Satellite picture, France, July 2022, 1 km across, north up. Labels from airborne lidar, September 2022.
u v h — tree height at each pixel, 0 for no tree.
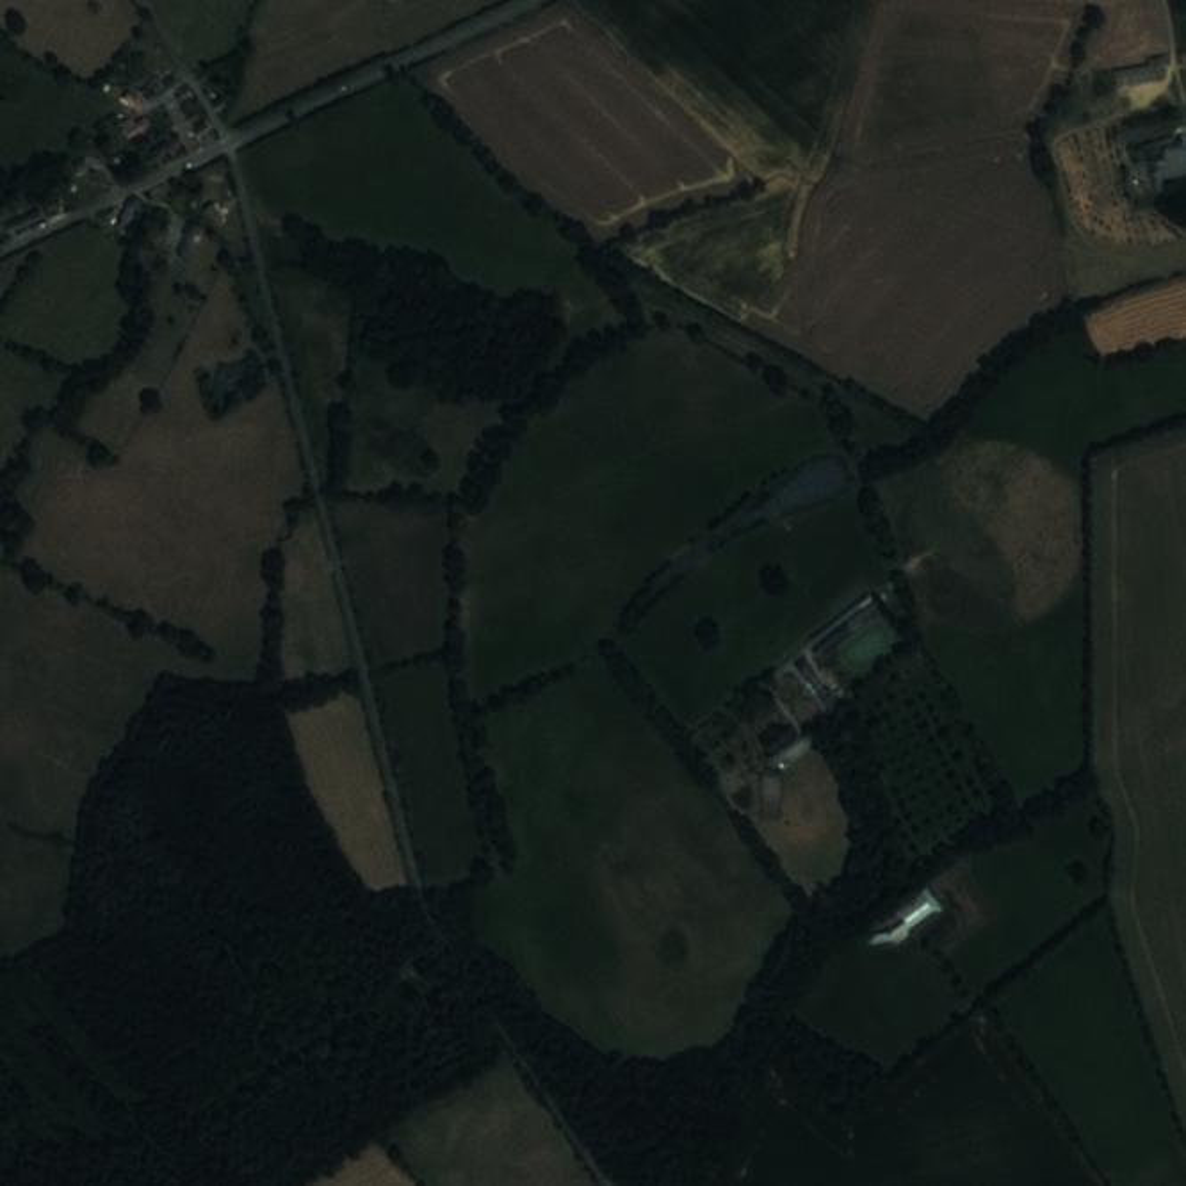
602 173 0
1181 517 0
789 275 0
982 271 0
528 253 0
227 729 14
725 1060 14
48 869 0
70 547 0
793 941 13
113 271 0
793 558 0
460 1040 22
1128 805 0
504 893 0
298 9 0
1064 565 0
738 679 0
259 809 10
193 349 0
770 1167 0
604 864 0
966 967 0
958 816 8
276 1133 19
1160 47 0
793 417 0
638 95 0
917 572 0
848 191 0
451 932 18
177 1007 14
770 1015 15
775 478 8
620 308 15
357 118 0
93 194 0
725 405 0
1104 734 0
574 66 0
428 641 0
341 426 19
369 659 8
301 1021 20
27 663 0
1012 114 0
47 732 0
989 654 0
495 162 12
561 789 0
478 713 22
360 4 0
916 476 0
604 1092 16
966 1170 0
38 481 0
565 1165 0
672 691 0
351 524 0
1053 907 0
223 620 0
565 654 0
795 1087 19
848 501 0
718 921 0
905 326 0
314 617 0
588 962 0
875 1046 0
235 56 10
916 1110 0
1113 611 0
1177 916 0
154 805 16
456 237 0
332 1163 16
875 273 0
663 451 0
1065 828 0
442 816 0
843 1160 0
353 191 0
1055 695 0
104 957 14
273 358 6
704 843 0
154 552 0
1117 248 0
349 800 0
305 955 20
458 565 15
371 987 22
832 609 0
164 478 0
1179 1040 0
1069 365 0
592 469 0
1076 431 0
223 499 0
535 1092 9
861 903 18
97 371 19
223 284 0
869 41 0
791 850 0
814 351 0
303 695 21
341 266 23
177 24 0
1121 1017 0
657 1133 16
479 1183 0
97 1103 19
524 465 0
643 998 0
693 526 0
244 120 7
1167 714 0
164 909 13
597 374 0
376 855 0
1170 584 0
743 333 6
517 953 0
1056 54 0
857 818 14
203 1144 18
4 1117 23
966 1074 0
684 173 0
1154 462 0
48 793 0
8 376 0
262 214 0
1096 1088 0
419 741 0
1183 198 10
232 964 15
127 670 0
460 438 0
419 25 0
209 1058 16
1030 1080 11
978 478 0
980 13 0
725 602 0
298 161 0
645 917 0
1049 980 0
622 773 0
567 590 0
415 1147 0
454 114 15
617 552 0
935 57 0
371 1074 19
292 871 14
